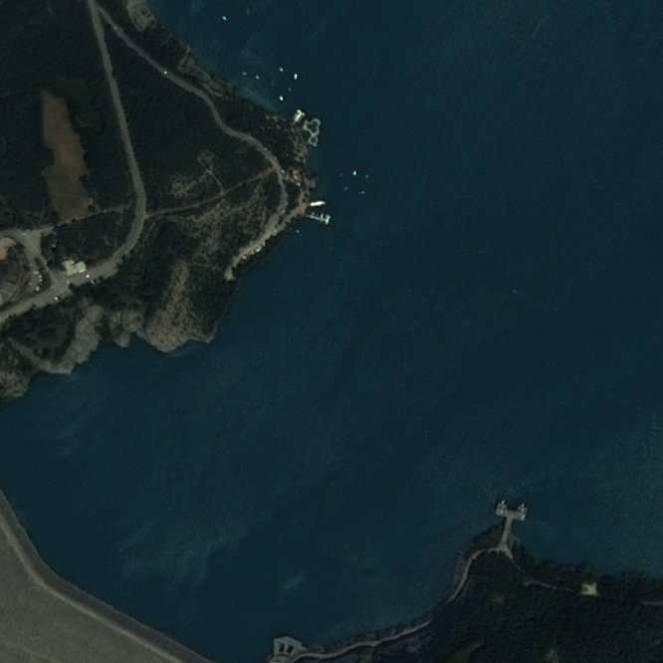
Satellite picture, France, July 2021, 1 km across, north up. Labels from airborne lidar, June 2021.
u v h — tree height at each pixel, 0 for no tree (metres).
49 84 8
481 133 0
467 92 0
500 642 11
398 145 0
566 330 0
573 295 0
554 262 0
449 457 0
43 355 6
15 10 7
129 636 0
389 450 0
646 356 0
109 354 0
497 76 0
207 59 0
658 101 0
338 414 0
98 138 9
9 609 0
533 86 0
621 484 0
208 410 0
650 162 0
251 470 0
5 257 0
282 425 0
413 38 0
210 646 0
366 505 0
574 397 0
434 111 0
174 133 8
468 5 0
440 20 0
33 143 8
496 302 0
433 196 0
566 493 0
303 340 0
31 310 6
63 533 0
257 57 0
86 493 0
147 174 9
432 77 0
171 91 8
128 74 12
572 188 0
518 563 10
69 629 0
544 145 0
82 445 0
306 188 8
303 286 0
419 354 0
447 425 0
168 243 11
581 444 0
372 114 0
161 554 0
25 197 6
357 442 0
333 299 0
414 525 0
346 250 0
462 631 9
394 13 0
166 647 0
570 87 0
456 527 0
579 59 0
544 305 0
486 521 0
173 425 0
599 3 0
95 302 7
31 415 0
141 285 6
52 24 8
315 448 0
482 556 10
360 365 0
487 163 0
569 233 0
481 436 0
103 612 0
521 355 0
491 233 0
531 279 0
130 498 0
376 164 0
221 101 7
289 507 0
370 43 0
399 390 0
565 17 0
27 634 0
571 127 0
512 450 0
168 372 0
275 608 0
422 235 0
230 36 0
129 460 0
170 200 6
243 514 0
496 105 0
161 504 0
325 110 0
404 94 0
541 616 7
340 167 0
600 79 0
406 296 0
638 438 0
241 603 0
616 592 14
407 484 0
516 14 0
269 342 0
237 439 0
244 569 0
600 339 0
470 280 0
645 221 0
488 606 6
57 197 0
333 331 0
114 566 0
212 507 0
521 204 0
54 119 0
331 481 0
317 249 0
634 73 0
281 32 0
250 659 0
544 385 0
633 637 7
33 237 0
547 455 0
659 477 0
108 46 10
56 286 0
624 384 0
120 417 0
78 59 8
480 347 0
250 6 0
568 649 8
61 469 0
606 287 0
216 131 8
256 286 0
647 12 0
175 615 0
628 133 0
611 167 0
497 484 0
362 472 0
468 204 0
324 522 0
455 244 0
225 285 12
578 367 0
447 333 0
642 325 0
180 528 0
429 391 0
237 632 0
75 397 0
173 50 8
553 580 12
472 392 0
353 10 0
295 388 0
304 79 0
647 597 11
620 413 0
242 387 0
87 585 0
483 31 0
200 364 0
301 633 0
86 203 0
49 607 0
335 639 0
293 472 0
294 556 0
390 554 0
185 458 0
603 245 0
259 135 6
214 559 0
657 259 0
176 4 0
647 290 0
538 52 0
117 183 8
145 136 11
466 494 0
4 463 0
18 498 0
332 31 0
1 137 12
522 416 0
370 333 0
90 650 0
